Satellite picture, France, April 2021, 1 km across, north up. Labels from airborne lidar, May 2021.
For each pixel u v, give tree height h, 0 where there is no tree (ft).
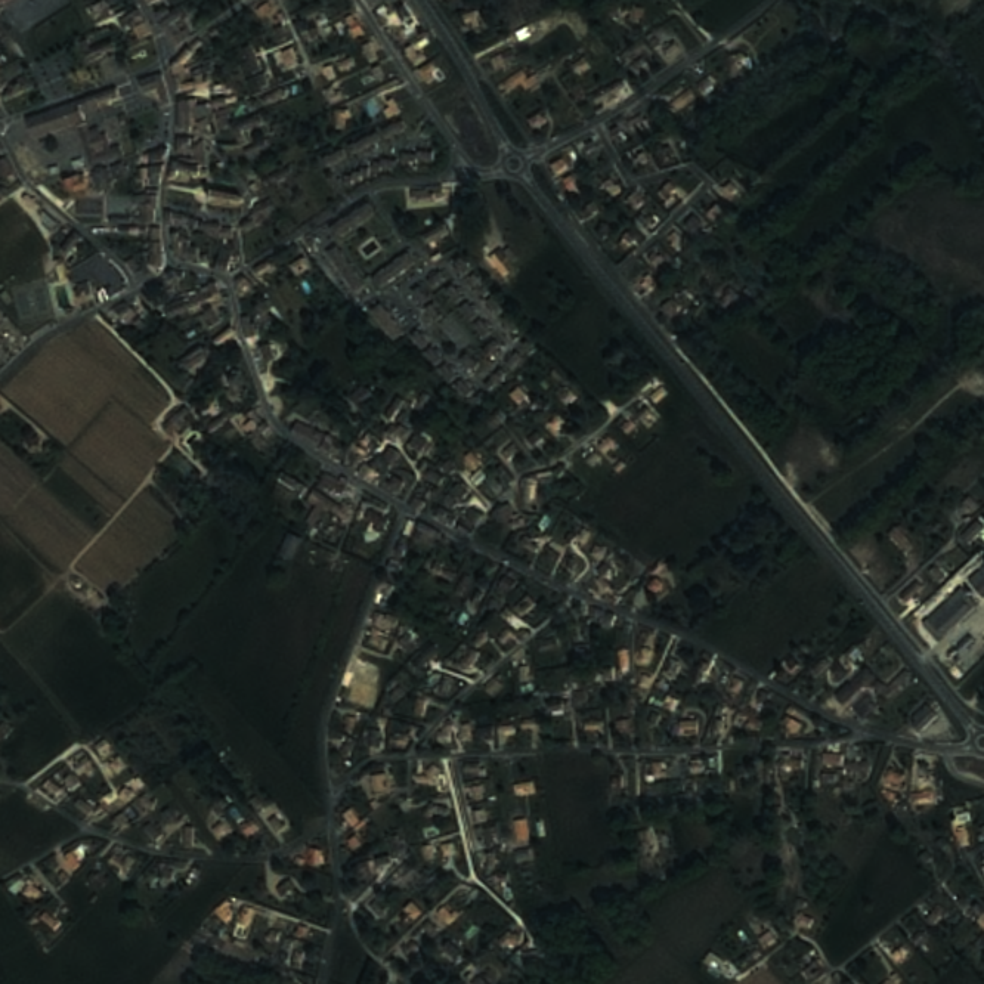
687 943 0
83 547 0
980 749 0
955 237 0
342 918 0
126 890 31
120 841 0
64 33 0
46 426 0
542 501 36
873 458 0
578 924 80
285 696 0
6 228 0
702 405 0
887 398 53
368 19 0
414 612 41
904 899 0
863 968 28
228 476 77
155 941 0
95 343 0
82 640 0
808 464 0
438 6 0
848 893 0
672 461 0
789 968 41
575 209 35
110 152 0
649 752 0
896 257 34
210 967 58
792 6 36
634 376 64
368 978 24
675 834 26
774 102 69
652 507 0
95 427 0
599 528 43
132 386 0
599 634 26
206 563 0
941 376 71
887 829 0
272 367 0
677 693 23
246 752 0
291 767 0
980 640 0
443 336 0
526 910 0
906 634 0
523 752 0
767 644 0
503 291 49
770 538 27
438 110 0
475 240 96
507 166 0
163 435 0
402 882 0
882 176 0
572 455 0
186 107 0
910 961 0
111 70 0
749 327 45
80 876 0
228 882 0
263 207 0
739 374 34
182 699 24
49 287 0
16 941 0
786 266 72
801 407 56
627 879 0
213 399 24
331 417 42
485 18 37
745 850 71
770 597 0
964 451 60
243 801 39
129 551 0
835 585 0
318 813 0
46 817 0
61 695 0
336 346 0
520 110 25
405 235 24
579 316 0
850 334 73
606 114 0
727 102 72
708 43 0
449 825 31
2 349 0
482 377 0
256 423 0
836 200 0
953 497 19
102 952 0
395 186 0
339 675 0
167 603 0
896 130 0
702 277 42
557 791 0
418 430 39
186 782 0
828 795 0
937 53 49
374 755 0
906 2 0
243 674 0
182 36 0
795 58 60
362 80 0
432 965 51
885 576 0
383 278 0
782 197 0
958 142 0
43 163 0
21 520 0
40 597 0
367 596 0
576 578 0
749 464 0
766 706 21
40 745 0
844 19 70
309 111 0
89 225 0
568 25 0
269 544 0
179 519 0
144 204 0
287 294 0
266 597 0
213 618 0
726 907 0
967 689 0
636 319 0
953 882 21
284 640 0
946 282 0
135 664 43
